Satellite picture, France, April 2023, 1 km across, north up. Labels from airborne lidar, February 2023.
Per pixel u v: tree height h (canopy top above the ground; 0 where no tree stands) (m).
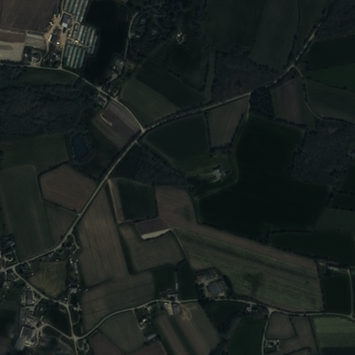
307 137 14
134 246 0
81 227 0
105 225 0
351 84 0
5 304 0
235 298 7
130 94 0
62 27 0
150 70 0
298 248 0
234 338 0
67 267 12
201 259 0
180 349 0
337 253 0
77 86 6
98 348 0
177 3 17
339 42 0
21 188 0
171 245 0
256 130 0
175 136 0
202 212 0
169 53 0
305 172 18
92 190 0
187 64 0
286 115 0
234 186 0
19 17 0
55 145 0
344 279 0
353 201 0
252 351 0
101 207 0
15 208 0
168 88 0
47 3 0
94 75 0
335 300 0
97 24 0
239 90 10
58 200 0
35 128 10
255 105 16
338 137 18
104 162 0
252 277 0
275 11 0
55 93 9
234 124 0
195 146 0
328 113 0
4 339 0
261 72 16
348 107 0
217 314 0
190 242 0
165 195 0
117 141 0
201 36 11
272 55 0
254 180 0
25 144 0
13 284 8
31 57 0
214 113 0
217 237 0
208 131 8
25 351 7
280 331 0
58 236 0
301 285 0
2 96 11
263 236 0
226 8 0
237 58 19
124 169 8
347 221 0
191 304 0
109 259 0
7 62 12
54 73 0
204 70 0
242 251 0
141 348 0
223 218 0
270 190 0
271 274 0
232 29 0
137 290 0
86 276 0
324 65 0
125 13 0
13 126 13
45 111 8
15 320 0
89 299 0
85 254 0
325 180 15
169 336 0
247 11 0
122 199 0
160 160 14
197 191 0
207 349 0
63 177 0
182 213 0
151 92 0
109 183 0
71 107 13
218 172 0
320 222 0
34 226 0
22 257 0
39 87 8
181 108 0
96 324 0
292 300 0
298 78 0
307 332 0
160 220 0
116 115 0
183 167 0
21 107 8
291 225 0
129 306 0
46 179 0
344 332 0
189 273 0
